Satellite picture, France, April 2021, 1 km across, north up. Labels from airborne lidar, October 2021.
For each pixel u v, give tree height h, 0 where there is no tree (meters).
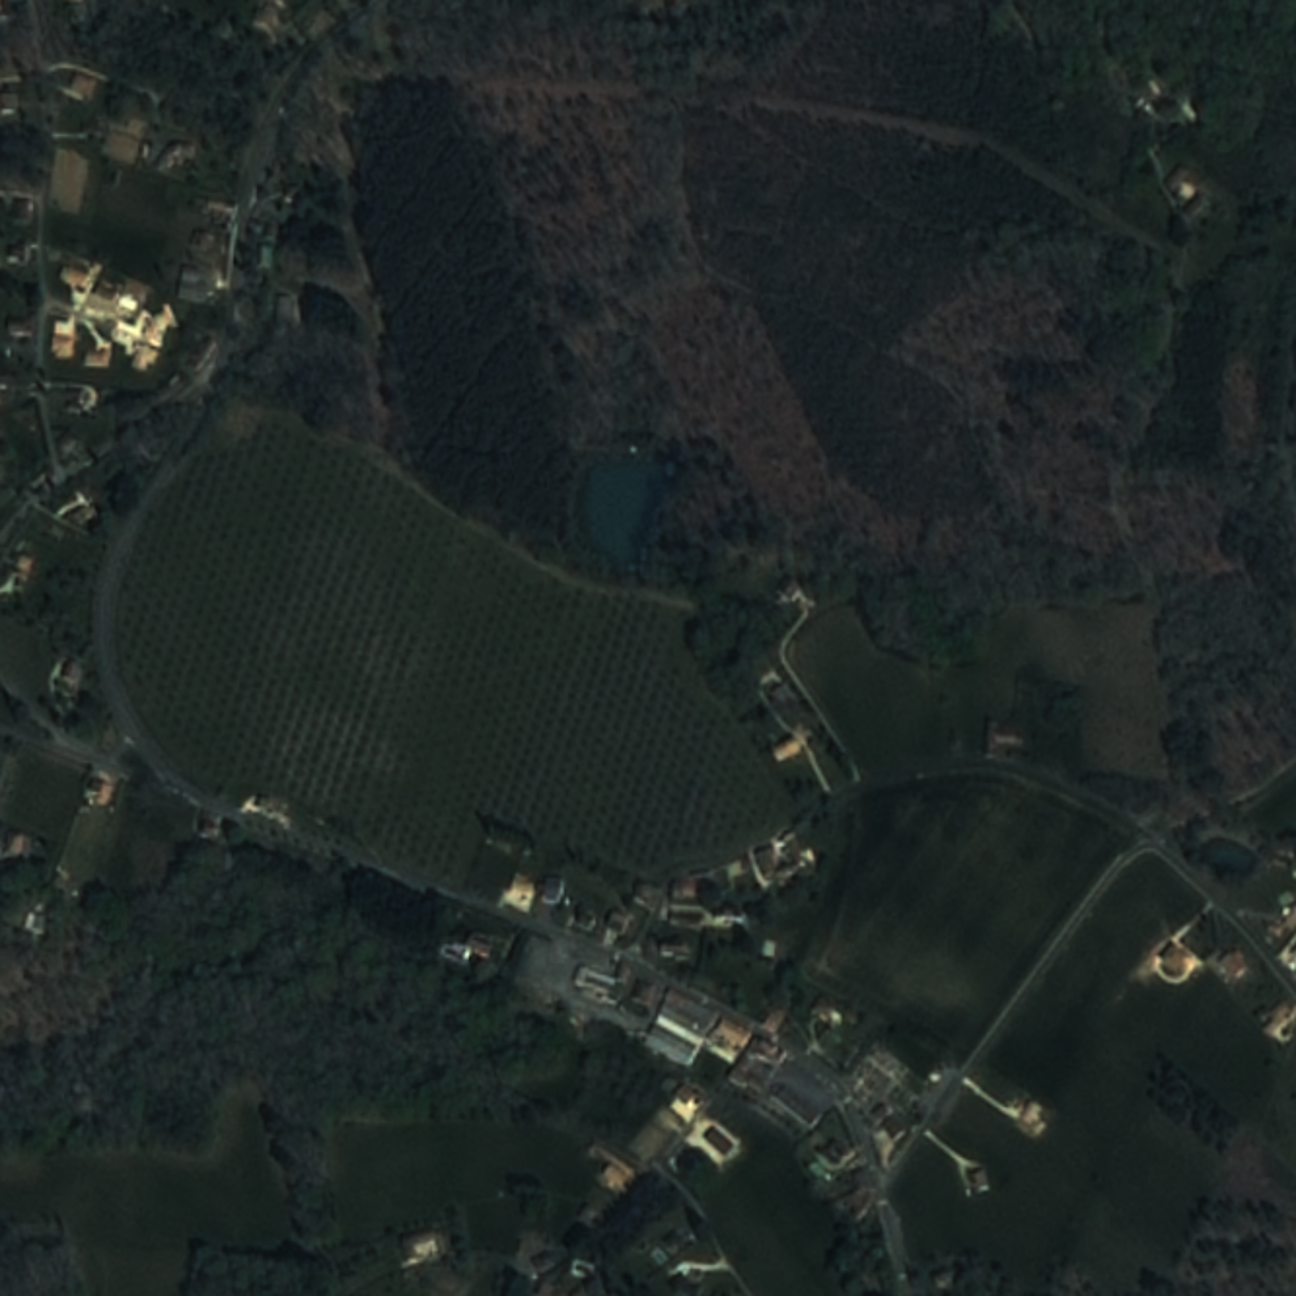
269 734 9
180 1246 0
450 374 21
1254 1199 0
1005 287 18
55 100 19
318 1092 17
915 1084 0
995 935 0
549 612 8
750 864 6
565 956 0
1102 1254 0
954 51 9
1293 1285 6
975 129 9
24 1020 20
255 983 18
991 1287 15
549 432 21
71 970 16
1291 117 11
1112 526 13
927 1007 0
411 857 8
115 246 0
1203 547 9
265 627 10
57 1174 0
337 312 21
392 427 11
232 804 0
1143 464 17
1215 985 0
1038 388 28
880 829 0
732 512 10
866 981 0
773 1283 0
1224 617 14
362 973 23
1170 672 11
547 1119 18
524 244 16
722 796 7
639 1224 12
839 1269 12
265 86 15
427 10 20
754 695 14
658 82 19
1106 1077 0
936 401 7
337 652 8
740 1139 0
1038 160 9
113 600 0
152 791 20
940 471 9
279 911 18
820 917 0
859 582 15
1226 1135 17
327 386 19
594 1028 9
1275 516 18
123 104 14
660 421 20
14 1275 25
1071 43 19
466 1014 20
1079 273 20
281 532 8
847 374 10
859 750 0
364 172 20
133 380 0
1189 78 19
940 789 0
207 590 6
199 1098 19
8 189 11
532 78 13
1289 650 17
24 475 9
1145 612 0
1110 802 12
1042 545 15
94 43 11
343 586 9
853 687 0
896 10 8
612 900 0
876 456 11
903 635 18
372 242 19
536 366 21
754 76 12
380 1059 26
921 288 9
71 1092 20
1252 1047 0
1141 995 0
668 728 6
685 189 15
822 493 9
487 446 18
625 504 0
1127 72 19
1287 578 18
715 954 11
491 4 25
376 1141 0
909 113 7
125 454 18
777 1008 14
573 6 23
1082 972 0
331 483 6
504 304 20
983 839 0
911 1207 0
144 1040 12
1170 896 0
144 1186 0
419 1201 0
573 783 8
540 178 10
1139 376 18
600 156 10
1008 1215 0
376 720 10
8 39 15
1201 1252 11
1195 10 25
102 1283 0
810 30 8
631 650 10
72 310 0
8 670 0
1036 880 0
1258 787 19
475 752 6
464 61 18
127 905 18
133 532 0
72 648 8
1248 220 8
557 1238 0
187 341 12
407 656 9
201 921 22
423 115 22
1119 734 0
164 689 6
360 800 6
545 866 0
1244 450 11
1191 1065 0
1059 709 6
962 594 23
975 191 9
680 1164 0
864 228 10
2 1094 22
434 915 16
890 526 14
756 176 9
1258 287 10
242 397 21
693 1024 0
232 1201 0
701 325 11
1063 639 0
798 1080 0
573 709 8
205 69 12
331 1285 24
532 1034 18
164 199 0
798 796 13
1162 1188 0
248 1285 16
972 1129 0
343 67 22
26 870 20
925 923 0
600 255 16
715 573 21
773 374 12
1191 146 7
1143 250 15
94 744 14
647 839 10
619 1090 12
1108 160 0
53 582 9
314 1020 19
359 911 18
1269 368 12
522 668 6
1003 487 16
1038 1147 0
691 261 19
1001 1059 0
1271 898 0
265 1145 0
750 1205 0
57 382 8
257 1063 18
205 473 8
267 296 9
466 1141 0
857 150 7
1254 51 25
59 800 0
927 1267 9
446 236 20
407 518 7
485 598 0
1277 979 0
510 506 20
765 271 9
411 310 17
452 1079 26
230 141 13
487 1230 0
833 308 9
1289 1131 0
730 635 18
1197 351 14
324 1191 12
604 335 10
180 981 15
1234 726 12
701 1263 0
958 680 0
